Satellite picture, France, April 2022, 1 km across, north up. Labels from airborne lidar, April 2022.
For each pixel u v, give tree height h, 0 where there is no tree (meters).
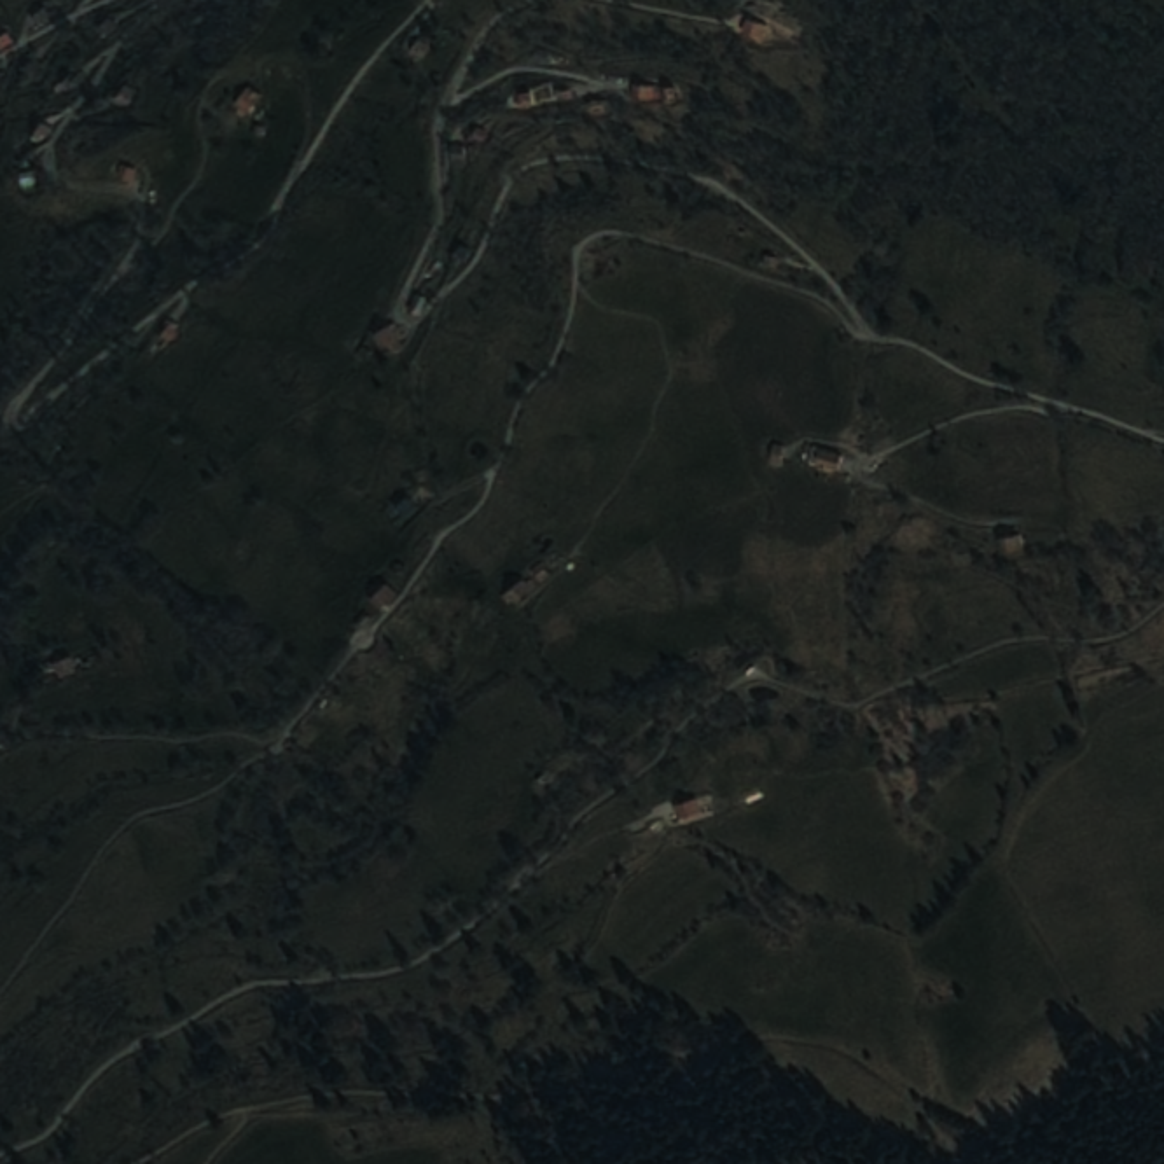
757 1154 15
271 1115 0
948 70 18
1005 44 23
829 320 0
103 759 0
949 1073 0
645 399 0
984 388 0
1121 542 14
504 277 0
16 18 0
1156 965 0
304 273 0
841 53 21
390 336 0
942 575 0
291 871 12
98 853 0
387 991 0
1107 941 0
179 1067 0
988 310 0
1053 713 0
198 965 0
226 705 0
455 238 0
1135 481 0
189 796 0
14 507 0
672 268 0
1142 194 21
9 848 0
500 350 0
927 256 0
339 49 0
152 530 12
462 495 0
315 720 0
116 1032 0
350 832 18
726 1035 13
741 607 0
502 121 0
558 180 0
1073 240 0
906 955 0
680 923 0
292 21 0
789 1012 0
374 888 0
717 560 0
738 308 0
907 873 0
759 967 0
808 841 0
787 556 0
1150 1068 21
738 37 9
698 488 0
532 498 0
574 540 0
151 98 0
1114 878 0
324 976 0
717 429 0
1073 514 0
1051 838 0
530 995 16
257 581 0
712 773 0
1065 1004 0
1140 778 0
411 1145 0
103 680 0
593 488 0
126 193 0
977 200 20
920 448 0
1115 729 0
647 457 0
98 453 0
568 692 8
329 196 0
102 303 0
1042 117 8
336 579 0
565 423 0
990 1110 0
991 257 0
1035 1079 0
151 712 0
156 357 0
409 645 0
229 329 0
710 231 0
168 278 20
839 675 0
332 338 0
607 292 0
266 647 20
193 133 0
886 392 0
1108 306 0
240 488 0
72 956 0
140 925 0
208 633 22
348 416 0
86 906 0
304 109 0
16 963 0
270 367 0
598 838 0
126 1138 0
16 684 0
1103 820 0
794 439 0
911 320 0
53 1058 0
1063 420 15
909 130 14
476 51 0
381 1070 22
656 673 8
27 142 0
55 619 0
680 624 0
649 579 0
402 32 0
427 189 0
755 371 0
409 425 0
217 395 0
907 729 0
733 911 7
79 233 10
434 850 0
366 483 0
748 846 0
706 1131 33
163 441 0
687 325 0
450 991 9
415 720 0
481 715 0
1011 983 0
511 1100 10
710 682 7
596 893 7
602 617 0
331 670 14
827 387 0
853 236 12
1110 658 0
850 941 0
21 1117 0
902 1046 0
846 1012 0
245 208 0
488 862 0
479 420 0
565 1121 11
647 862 0
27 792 0
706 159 21
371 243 0
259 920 7
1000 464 0
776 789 0
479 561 0
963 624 0
